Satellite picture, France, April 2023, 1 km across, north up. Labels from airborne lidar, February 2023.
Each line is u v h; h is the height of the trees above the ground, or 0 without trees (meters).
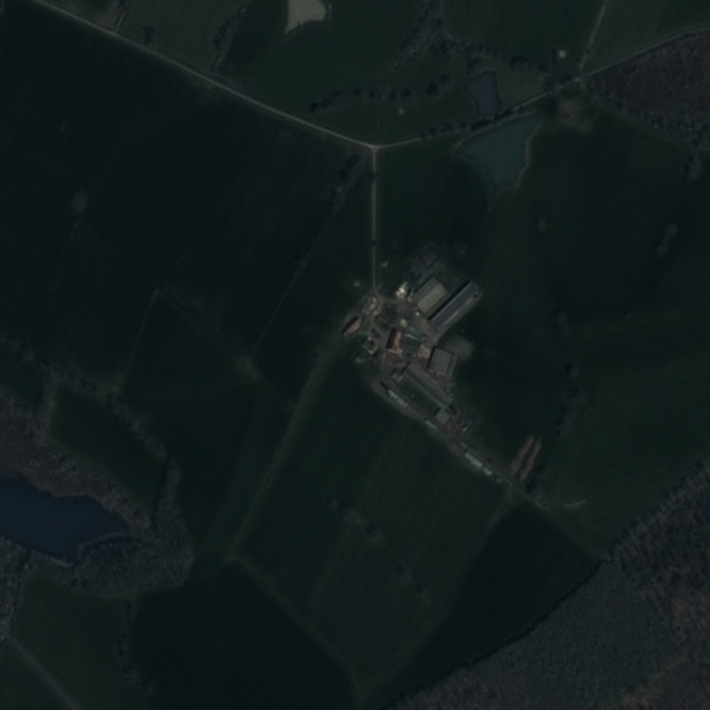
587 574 0
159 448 19
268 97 0
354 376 0
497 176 0
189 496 0
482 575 0
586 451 0
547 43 0
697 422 0
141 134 0
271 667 0
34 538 0
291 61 0
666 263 0
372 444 0
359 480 0
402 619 0
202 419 0
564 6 0
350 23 0
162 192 0
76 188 0
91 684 0
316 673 0
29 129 0
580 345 0
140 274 0
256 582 0
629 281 0
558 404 0
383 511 0
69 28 0
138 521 13
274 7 0
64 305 0
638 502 0
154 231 0
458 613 0
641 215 0
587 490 0
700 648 16
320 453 0
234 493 0
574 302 0
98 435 0
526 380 0
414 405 0
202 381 0
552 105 0
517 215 0
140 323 0
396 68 0
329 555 0
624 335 0
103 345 0
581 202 0
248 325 0
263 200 0
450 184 0
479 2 0
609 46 0
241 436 0
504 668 15
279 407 0
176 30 0
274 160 0
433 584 0
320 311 0
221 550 0
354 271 0
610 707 13
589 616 14
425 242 0
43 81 0
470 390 0
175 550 20
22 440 0
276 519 0
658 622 11
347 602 0
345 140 0
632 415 0
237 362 0
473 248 0
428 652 0
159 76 0
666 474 0
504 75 0
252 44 0
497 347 0
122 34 0
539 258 0
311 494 0
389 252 0
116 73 0
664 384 0
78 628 0
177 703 0
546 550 0
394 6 0
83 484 0
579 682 13
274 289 0
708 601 29
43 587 0
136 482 0
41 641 0
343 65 0
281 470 0
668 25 0
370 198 0
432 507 0
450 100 0
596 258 0
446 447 0
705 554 23
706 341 0
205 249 0
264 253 0
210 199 0
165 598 0
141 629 0
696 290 0
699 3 0
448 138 10
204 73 0
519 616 0
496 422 0
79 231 0
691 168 11
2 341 14
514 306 0
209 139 0
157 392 0
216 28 0
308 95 0
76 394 0
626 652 14
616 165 0
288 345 0
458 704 22
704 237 0
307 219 0
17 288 0
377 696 0
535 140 0
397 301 0
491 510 0
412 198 0
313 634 0
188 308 0
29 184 0
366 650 0
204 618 0
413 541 0
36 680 0
